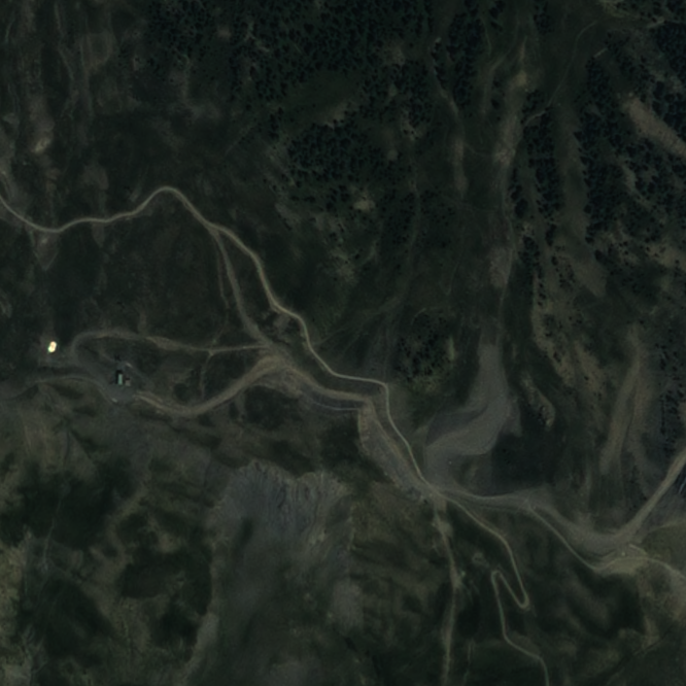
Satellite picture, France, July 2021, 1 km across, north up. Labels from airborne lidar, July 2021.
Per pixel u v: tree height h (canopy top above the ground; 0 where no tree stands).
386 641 0
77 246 0
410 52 0
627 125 0
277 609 0
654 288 0
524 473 0
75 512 0
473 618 0
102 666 0
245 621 0
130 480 0
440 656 0
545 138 7
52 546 0
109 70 0
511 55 0
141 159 0
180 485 0
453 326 0
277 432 0
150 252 0
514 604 0
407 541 0
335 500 0
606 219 8
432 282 0
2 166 0
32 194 0
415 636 0
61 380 0
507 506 0
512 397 0
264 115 0
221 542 0
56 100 0
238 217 0
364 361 0
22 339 0
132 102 0
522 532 0
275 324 0
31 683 0
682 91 0
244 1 8
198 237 0
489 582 0
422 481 0
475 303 0
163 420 0
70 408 0
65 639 0
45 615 0
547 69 0
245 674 0
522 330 0
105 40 0
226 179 0
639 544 0
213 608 0
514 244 0
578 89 0
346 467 0
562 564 0
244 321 0
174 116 0
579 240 0
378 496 0
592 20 0
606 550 0
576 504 0
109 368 0
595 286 0
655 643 0
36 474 0
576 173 0
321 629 0
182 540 0
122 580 0
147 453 0
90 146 0
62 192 0
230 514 0
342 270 0
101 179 0
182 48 12
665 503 0
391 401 0
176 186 0
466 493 0
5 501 0
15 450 0
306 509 0
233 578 0
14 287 0
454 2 0
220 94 0
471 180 0
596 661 0
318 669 0
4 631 0
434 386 0
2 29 0
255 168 0
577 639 0
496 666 0
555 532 0
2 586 0
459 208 0
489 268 0
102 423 0
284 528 0
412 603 0
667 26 9
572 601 0
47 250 0
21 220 0
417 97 10
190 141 0
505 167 0
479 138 0
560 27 0
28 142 0
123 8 0
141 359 0
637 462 0
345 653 0
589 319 0
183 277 0
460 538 0
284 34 16
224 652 0
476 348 0
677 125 14
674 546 0
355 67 21
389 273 0
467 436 0
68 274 0
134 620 0
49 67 0
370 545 0
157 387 0
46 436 0
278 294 0
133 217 0
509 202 0
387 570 0
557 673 0
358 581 0
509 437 0
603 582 0
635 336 0
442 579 0
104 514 0
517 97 0
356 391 0
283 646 0
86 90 0
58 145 0
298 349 0
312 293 0
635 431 0
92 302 0
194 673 0
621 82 0
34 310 0
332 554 0
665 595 0
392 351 0
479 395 0
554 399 0
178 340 0
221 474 0
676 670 0
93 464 0
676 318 0
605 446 0
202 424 0
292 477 0
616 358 0
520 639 0
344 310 0
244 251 0
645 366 0
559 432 0
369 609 0
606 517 0
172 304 0
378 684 0
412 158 0
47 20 0
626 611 0
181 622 0
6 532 0
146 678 0
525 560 0
